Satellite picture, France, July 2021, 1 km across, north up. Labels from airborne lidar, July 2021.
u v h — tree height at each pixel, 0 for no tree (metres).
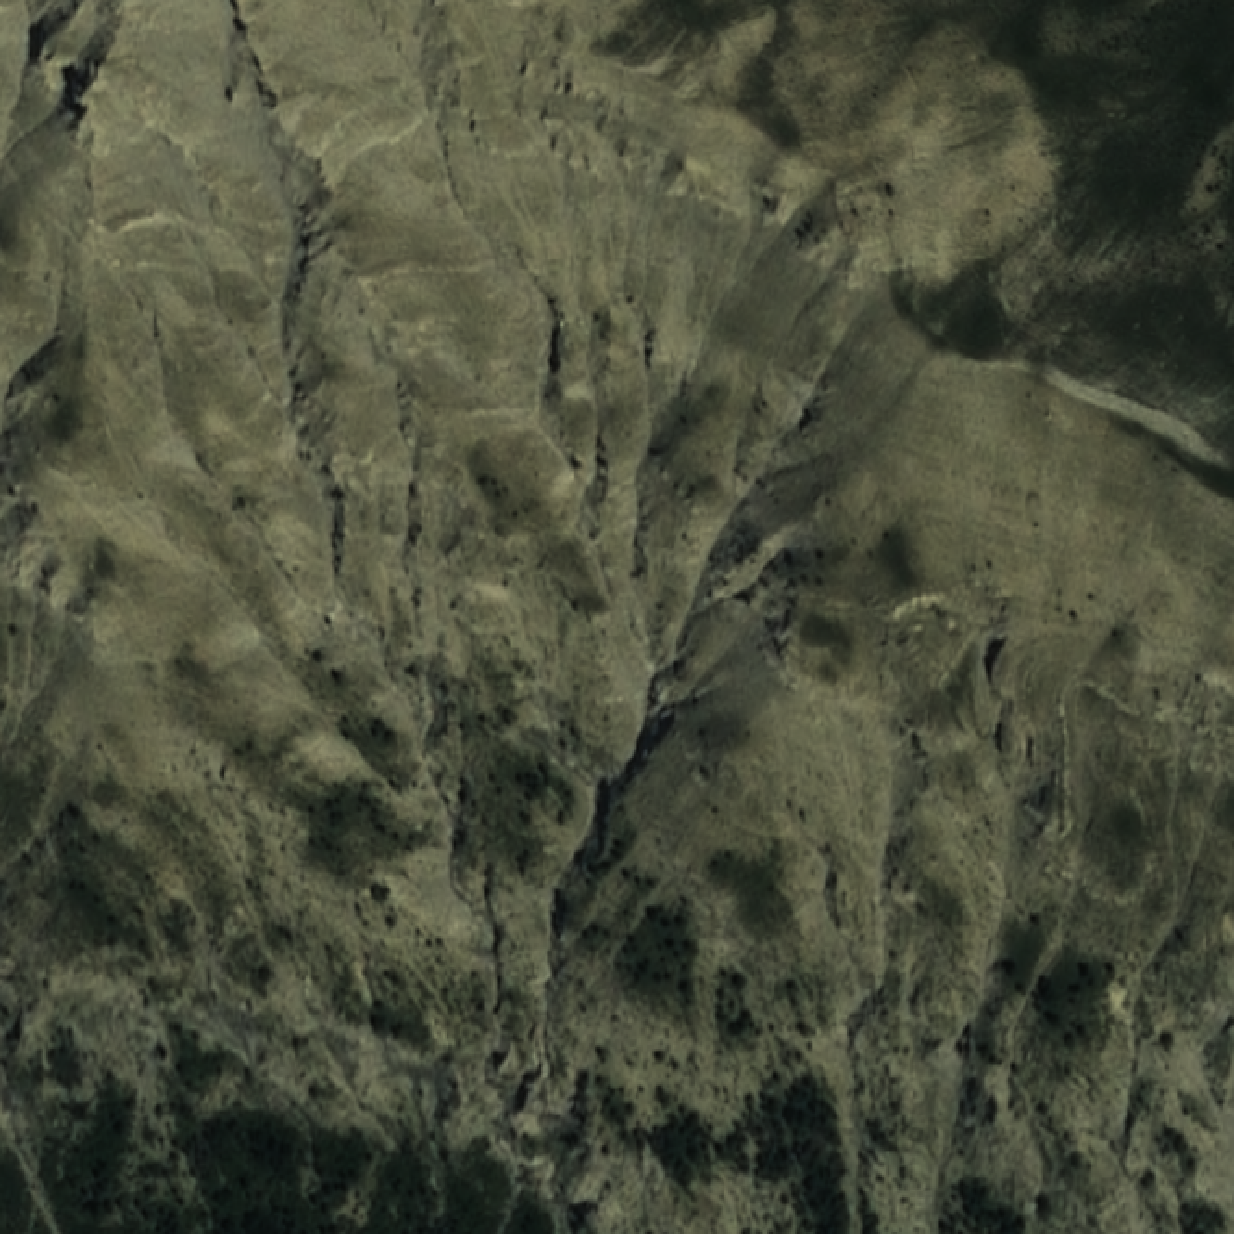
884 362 0
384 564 0
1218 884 0
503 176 0
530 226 0
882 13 0
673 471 0
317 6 0
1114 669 0
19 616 0
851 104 0
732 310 0
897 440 0
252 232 0
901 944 0
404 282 0
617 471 0
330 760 0
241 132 0
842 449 0
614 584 0
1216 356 0
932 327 0
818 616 0
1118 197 0
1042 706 0
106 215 0
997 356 0
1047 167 0
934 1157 0
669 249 0
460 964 0
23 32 0
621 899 0
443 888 0
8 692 0
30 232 0
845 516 0
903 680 0
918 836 0
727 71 0
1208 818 0
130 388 0
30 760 0
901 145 0
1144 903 0
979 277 0
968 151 0
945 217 0
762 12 0
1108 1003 0
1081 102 0
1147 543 0
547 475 0
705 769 7
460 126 0
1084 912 0
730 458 0
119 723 0
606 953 0
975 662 0
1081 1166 9
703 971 0
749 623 0
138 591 0
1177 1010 0
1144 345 0
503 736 0
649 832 0
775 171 0
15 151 0
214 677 0
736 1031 14
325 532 0
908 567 0
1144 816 0
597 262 0
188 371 0
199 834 0
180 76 0
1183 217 0
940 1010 0
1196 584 0
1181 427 0
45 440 0
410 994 0
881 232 0
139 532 0
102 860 0
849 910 0
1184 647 0
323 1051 0
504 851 0
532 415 0
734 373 0
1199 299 0
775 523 0
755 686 0
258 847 0
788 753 0
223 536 0
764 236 0
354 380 0
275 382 0
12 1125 0
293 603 0
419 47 0
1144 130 0
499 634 0
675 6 0
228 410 0
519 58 0
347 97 0
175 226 0
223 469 0
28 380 8
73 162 0
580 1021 0
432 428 0
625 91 0
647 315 0
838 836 0
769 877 0
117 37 0
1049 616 0
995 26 0
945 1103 0
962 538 0
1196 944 0
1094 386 0
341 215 0
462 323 0
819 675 0
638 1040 0
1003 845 0
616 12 0
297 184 0
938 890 0
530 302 0
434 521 0
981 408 0
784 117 0
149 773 0
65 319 0
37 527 0
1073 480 0
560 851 0
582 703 0
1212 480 0
